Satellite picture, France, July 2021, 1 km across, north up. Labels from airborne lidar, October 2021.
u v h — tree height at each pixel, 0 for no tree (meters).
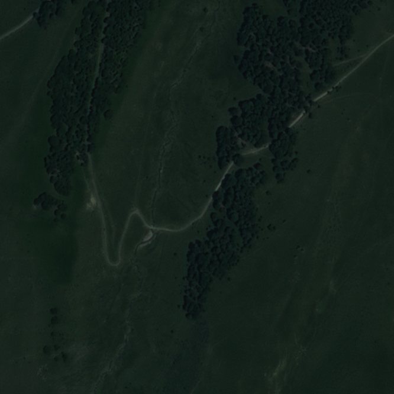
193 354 0
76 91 26
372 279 0
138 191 0
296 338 0
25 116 0
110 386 0
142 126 0
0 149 0
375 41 0
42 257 0
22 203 0
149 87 0
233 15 0
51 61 0
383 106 0
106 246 0
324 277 0
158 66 0
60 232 0
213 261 15
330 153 0
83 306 0
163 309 0
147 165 0
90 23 22
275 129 29
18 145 0
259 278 0
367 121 0
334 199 0
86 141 26
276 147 25
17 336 0
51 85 18
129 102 0
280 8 0
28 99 0
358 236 0
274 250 0
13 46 0
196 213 0
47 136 0
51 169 28
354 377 0
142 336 0
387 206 0
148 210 0
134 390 0
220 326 0
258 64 31
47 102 0
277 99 32
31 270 0
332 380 0
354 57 0
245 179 22
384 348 0
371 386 0
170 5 0
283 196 0
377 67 0
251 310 0
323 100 0
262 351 0
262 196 0
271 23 29
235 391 0
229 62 0
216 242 32
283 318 0
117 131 0
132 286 0
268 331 0
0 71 0
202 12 0
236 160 22
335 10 25
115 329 0
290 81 27
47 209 20
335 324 0
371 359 0
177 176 0
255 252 0
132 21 23
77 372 0
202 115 0
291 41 28
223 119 0
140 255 0
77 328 0
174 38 0
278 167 15
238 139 27
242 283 0
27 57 0
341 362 0
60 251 0
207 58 0
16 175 0
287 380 0
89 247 0
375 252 0
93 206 0
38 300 0
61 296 0
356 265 0
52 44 0
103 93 25
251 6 0
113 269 0
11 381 0
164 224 0
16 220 0
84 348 0
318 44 23
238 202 25
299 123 0
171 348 0
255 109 30
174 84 0
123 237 0
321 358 0
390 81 0
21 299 0
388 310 0
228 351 0
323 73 22
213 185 0
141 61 0
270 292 0
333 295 0
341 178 0
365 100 0
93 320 0
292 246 0
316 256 0
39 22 12
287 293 0
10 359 0
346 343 0
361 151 0
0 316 0
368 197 0
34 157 0
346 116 0
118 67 21
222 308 0
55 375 0
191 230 0
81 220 0
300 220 0
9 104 0
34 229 0
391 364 0
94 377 0
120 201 0
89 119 21
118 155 0
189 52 0
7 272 0
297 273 0
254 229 21
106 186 0
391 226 0
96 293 0
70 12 0
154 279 0
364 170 0
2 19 0
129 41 23
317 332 0
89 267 0
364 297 0
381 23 0
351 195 0
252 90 0
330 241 0
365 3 8
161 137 0
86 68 22
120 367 0
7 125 0
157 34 0
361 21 0
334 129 0
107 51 25
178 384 0
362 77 0
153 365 0
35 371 0
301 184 0
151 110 0
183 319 0
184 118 0
